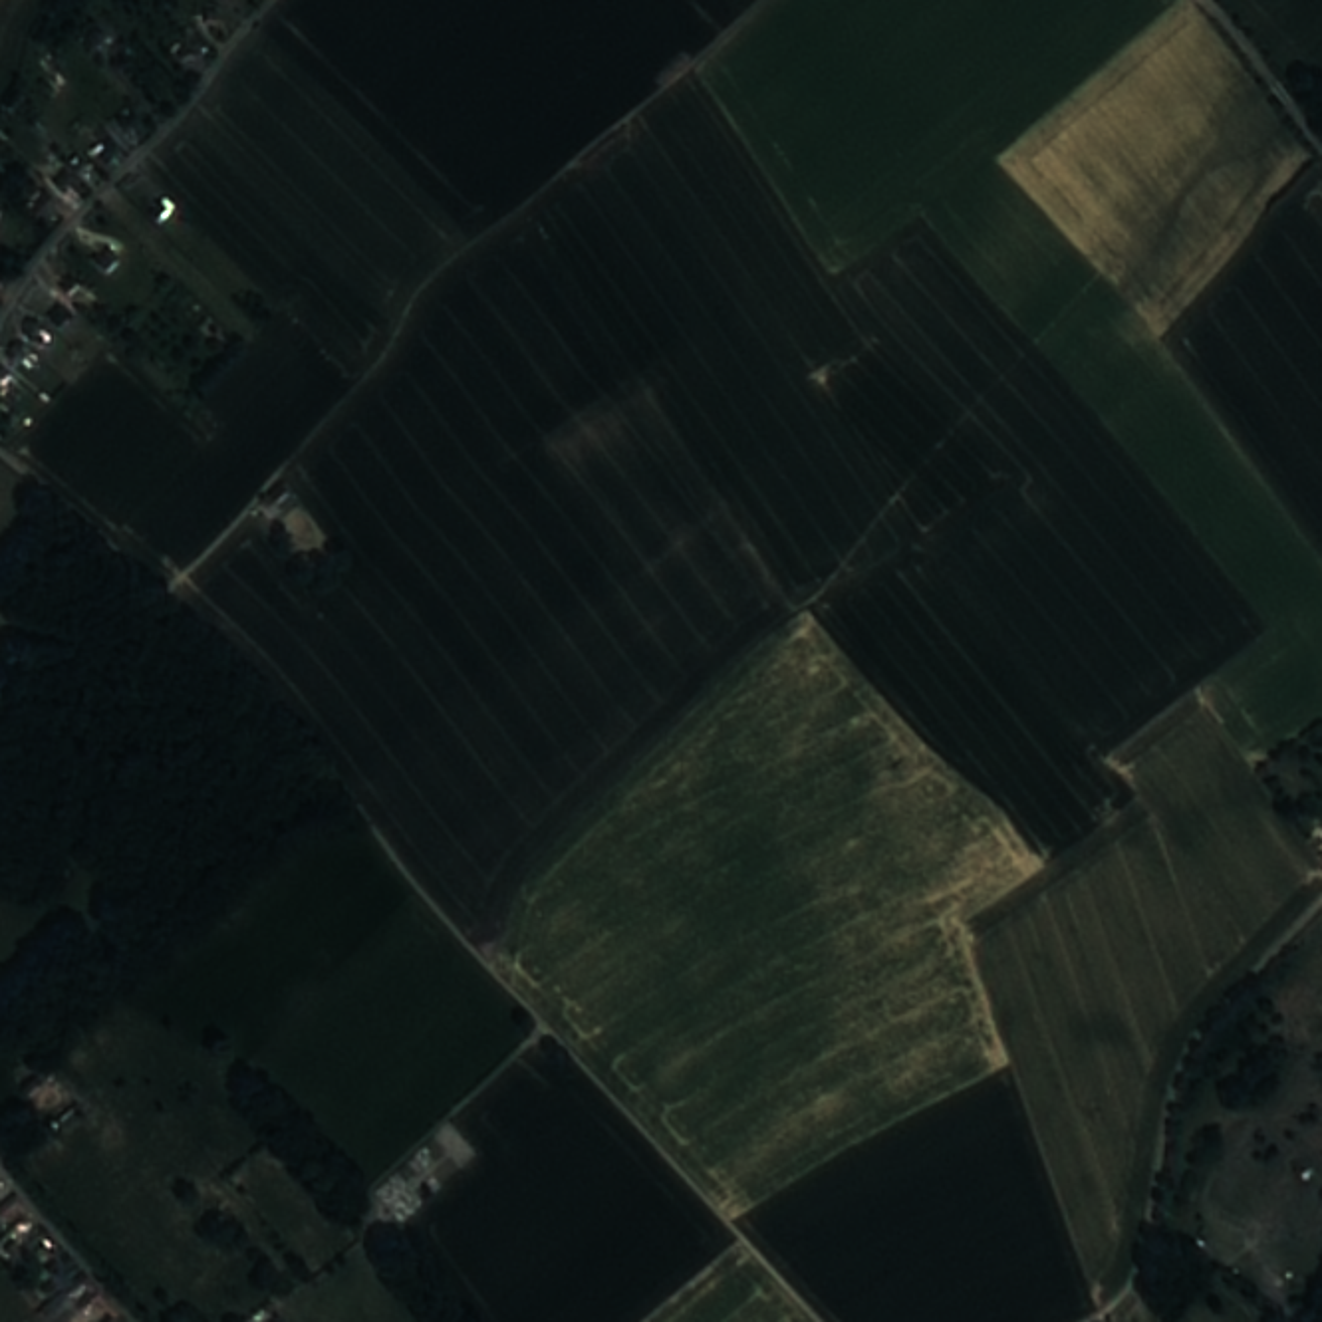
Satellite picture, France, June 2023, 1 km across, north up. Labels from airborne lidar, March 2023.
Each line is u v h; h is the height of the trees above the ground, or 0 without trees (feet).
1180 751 0
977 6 0
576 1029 0
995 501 0
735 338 0
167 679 110
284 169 0
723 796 0
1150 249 0
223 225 0
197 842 102
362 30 0
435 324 0
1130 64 0
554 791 0
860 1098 0
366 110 0
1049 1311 0
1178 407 0
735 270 0
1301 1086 0
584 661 0
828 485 0
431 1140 0
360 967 0
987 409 0
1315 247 0
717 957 0
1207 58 0
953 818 0
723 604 0
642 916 0
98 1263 46
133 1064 0
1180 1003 0
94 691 112
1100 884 0
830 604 0
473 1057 0
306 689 0
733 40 0
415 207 0
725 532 0
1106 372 0
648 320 0
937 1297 0
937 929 0
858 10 0
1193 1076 24
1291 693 0
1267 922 0
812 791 0
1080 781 0
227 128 0
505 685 0
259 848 100
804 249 0
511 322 0
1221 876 0
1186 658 0
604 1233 0
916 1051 0
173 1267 0
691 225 0
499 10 0
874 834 0
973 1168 0
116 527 0
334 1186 79
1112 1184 0
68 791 110
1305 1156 0
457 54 0
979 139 0
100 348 0
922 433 0
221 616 0
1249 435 0
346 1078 0
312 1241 0
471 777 0
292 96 0
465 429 0
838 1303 0
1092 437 0
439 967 0
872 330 0
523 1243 0
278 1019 0
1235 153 0
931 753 0
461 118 0
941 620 0
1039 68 0
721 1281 0
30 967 76
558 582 0
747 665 0
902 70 0
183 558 0
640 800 0
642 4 0
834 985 0
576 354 0
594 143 0
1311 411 0
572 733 0
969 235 0
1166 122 0
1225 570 0
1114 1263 0
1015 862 0
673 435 0
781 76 0
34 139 0
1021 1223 0
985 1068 0
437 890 0
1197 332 0
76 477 0
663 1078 0
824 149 0
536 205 0
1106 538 0
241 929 0
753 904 0
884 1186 0
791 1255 0
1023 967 0
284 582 0
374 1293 0
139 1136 0
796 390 0
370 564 0
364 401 0
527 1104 0
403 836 0
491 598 0
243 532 0
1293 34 0
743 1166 0
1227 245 0
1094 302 0
